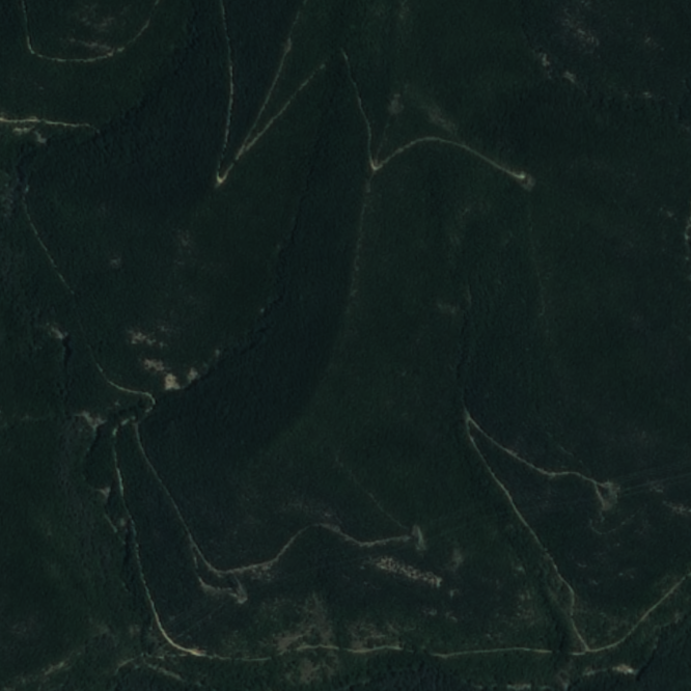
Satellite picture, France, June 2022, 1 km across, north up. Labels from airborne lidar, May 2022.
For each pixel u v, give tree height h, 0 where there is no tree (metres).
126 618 10
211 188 6
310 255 7
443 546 6
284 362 7
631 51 8
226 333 7
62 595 8
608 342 9
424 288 7
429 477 7
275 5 8
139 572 8
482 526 8
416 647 9
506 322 7
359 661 9
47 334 8
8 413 7
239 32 6
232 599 9
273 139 6
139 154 14
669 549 9
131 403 7
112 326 9
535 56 11
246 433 7
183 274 6
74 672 9
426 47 10
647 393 10
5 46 8
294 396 8
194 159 7
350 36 8
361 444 9
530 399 6
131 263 8
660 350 6
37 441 9
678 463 6
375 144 6
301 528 8
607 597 8
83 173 11
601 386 6
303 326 7
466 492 11
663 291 8
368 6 6
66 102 9
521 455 7
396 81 8
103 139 11
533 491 9
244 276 7
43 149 8
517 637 7
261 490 6
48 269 7
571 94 12
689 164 8
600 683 9
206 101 10
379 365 6
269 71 7
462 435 10
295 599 7
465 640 8
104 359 8
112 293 11
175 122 9
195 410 10
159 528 7
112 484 6
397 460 9
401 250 7
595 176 6
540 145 6
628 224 6
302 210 11
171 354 6
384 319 8
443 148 7
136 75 6
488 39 6
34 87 7
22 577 10
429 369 7
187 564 7
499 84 6
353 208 7
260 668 7
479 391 9
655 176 6
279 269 11
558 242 9
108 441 9
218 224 7
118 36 6
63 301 9
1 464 10
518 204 7
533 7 8
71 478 8
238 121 7
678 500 7
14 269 10
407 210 6
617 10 7
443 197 8
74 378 6
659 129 9
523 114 9
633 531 6
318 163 15
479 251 9
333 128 9
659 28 6
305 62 7
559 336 7
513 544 10
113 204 6
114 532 8
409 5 7
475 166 7
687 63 8
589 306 8
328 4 9
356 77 13
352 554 6
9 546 10
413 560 6
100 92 9
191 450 6
